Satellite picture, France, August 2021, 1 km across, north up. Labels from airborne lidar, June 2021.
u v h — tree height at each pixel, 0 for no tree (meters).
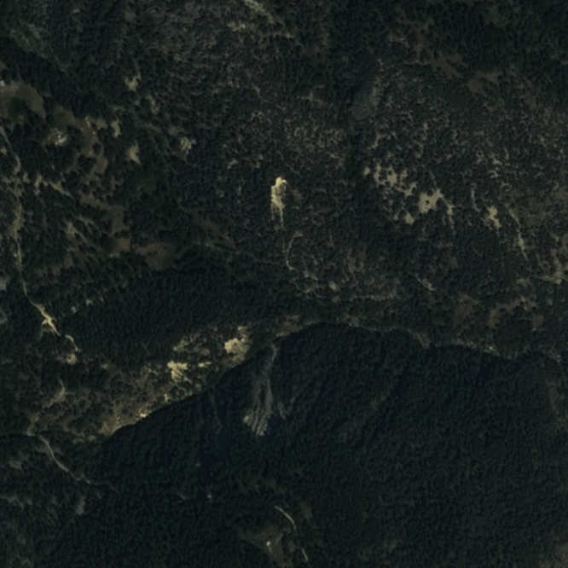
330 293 16
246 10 6
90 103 30
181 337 14
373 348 15
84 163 17
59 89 29
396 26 15
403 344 23
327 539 19
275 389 8
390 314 7
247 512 21
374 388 15
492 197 11
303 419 18
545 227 9
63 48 9
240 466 20
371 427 15
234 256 7
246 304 15
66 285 19
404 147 9
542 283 10
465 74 16
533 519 18
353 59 10
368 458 15
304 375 18
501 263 9
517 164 16
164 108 14
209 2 8
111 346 17
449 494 20
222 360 16
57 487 12
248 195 14
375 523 19
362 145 19
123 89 20
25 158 27
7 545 6
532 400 17
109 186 14
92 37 21
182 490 15
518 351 8
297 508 19
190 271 7
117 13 19
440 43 16
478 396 19
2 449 18
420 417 17
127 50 17
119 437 10
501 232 10
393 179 0
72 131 15
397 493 21
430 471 23
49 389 14
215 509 22
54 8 9
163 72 20
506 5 17
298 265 14
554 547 10
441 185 14
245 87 8
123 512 22
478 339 10
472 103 14
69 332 18
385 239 10
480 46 20
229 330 10
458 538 18
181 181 21
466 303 10
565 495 12
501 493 18
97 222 29
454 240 13
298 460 13
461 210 12
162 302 17
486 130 10
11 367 17
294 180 16
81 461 14
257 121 8
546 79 17
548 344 10
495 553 17
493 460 18
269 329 12
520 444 21
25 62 30
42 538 16
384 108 9
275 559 0
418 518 20
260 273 13
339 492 17
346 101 17
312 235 11
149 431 8
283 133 8
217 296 20
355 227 18
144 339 19
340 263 13
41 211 17
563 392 9
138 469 21
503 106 8
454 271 10
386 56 10
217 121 14
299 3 17
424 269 10
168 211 9
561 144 7
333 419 16
